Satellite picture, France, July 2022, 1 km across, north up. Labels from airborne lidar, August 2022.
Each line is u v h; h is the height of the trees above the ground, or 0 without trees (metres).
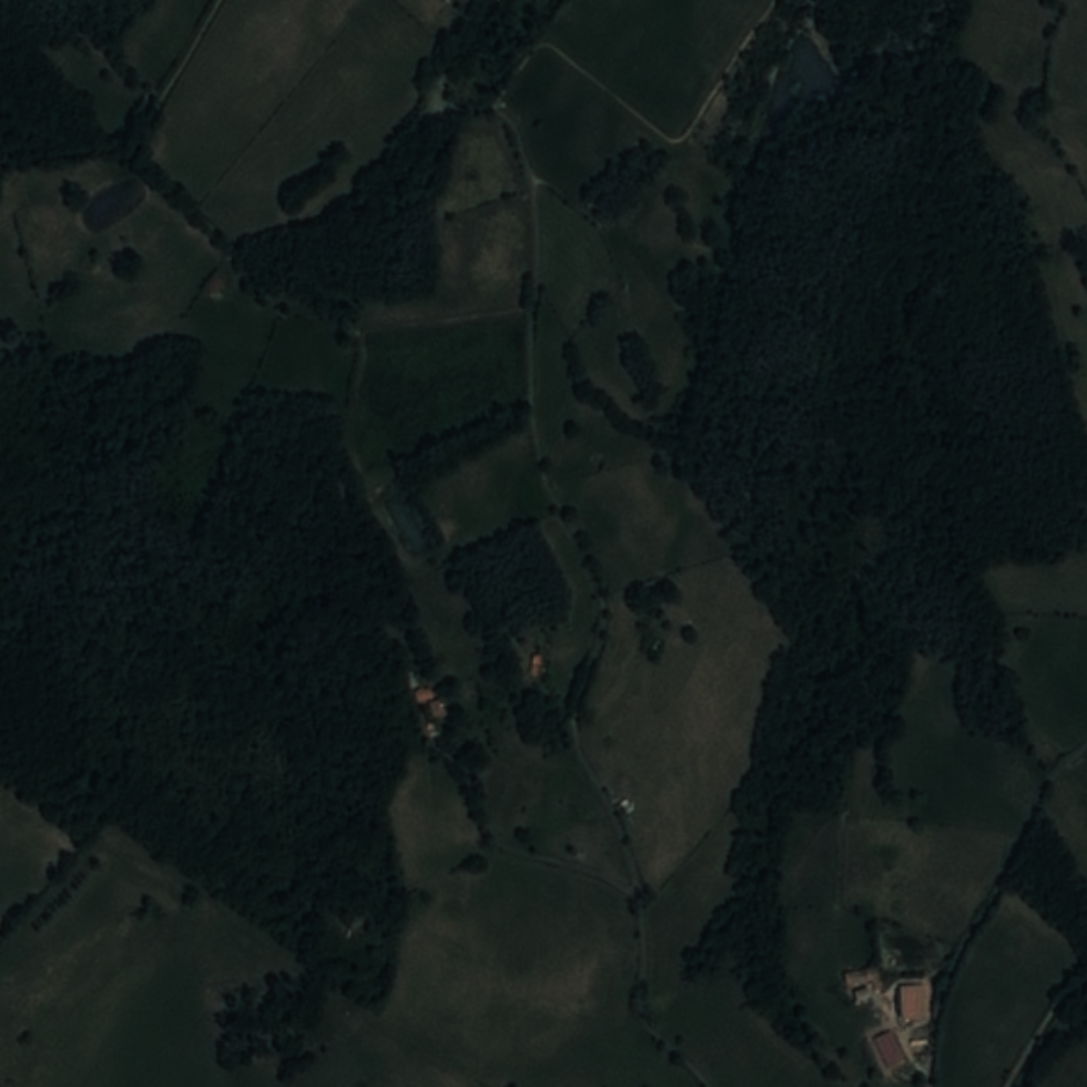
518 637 12
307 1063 18
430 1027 0
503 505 0
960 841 0
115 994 0
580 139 0
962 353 16
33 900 12
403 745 11
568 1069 0
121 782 17
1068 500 20
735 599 0
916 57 18
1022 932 0
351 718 20
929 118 25
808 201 19
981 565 27
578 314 0
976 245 14
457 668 0
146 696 12
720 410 10
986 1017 0
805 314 14
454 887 0
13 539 10
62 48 15
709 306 14
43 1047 0
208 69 0
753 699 0
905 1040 0
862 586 22
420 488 10
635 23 0
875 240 19
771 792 17
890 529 13
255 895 12
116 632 8
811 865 0
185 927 0
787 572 17
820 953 0
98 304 0
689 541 0
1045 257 20
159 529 27
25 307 0
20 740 10
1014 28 0
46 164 15
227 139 0
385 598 19
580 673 13
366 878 9
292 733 20
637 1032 0
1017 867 14
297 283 24
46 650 7
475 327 0
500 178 0
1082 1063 0
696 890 0
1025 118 15
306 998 19
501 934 0
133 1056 0
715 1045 0
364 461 0
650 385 19
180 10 0
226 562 24
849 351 14
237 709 18
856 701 16
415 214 21
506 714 7
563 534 0
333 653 21
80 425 11
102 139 16
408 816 0
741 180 22
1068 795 0
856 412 20
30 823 0
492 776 0
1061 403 18
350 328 21
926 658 13
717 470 22
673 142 0
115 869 0
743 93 11
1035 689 0
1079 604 0
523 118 0
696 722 0
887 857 0
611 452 0
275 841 7
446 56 17
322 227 18
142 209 0
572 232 0
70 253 0
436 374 0
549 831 0
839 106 16
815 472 17
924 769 0
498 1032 0
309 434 19
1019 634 9
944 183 21
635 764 0
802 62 0
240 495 23
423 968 0
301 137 0
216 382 0
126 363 12
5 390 14
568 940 0
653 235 0
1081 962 12
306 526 20
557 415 0
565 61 0
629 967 0
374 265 23
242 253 19
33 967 0
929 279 17
